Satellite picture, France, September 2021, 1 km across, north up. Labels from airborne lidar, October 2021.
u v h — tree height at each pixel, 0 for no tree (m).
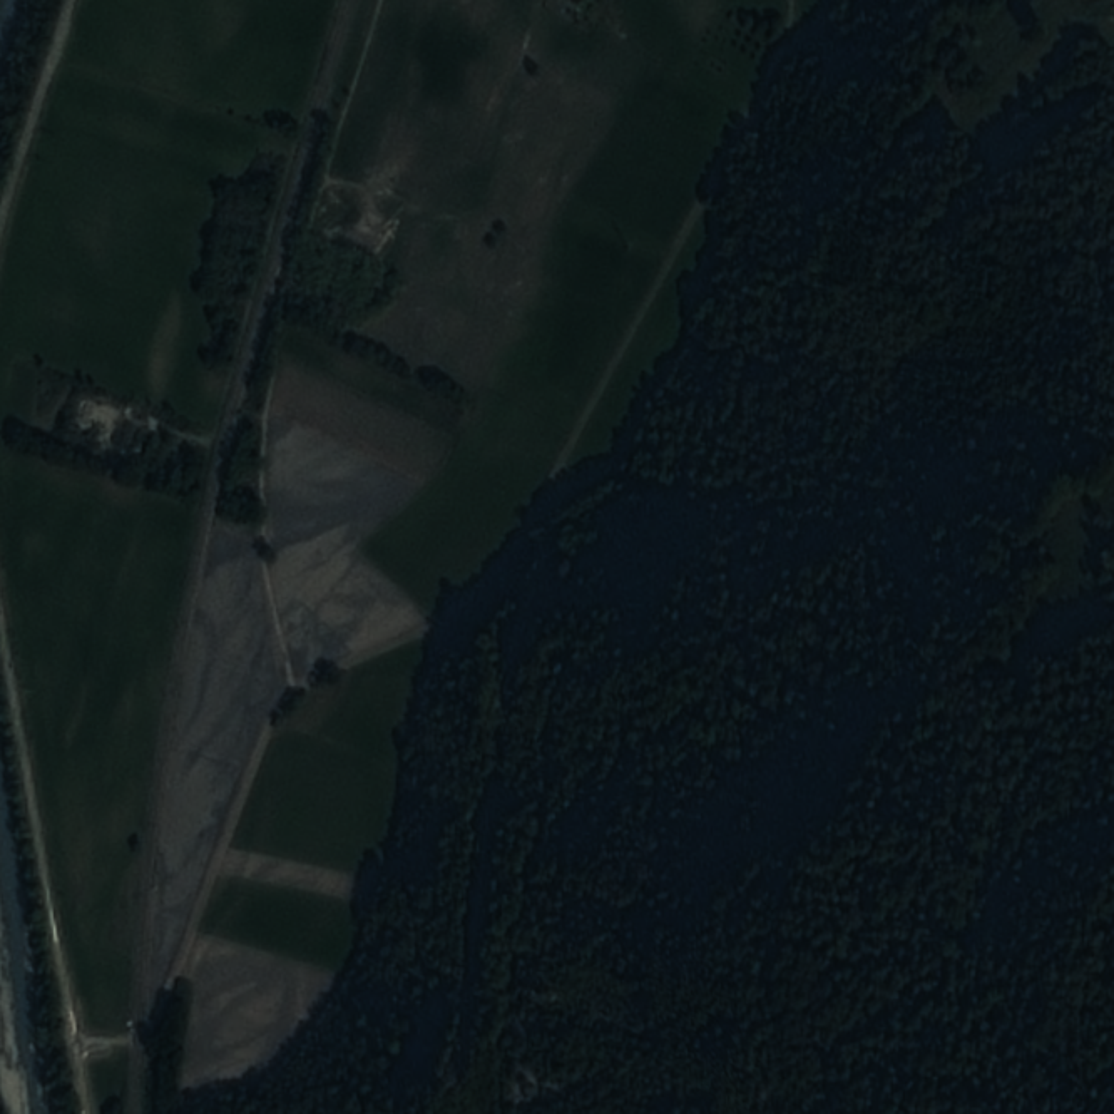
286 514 0
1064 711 15
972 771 17
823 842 24
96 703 0
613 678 27
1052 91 21
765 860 26
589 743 26
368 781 0
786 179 29
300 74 0
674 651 24
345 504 0
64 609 0
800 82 22
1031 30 19
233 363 10
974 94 15
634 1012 8
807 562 22
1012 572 23
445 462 0
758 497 29
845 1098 24
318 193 17
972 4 14
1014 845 16
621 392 0
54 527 0
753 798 25
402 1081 9
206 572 0
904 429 16
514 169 0
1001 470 26
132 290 0
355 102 0
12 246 0
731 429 27
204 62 0
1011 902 20
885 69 30
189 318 0
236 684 0
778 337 26
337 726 0
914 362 18
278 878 0
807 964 24
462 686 24
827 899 23
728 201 34
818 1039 24
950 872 26
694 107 0
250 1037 0
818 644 16
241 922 0
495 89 0
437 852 24
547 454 0
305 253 16
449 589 0
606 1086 12
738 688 30
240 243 15
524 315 0
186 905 0
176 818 0
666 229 0
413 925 24
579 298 0
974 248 25
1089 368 26
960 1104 26
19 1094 0
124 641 0
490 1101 17
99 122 0
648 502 15
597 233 0
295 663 0
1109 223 22
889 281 23
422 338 0
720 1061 23
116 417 0
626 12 0
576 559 27
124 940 0
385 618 0
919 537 25
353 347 14
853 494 25
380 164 0
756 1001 25
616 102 0
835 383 28
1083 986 22
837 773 29
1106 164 19
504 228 8
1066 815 14
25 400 0
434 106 0
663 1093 17
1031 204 23
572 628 28
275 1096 14
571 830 17
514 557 11
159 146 0
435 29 0
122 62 0
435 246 0
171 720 0
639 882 28
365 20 0
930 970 33
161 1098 17
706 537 26
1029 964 26
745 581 29
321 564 0
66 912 0
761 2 0
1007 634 23
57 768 0
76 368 0
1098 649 25
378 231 0
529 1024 6
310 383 0
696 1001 21
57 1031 11
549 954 10
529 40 0
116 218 0
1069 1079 21
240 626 0
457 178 0
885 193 35
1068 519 0
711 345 34
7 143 20
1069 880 24
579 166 0
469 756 28
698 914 25
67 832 0
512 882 19
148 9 0
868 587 26
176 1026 16
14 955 0
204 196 0
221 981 0
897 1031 26
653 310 0
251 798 0
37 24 19
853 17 17
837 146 27
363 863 0
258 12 0
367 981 15
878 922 33
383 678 0
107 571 0
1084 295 25
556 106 0
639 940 14
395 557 0
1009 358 21
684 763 27
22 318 0
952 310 19
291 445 0
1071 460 27
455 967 19
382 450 0
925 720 30
